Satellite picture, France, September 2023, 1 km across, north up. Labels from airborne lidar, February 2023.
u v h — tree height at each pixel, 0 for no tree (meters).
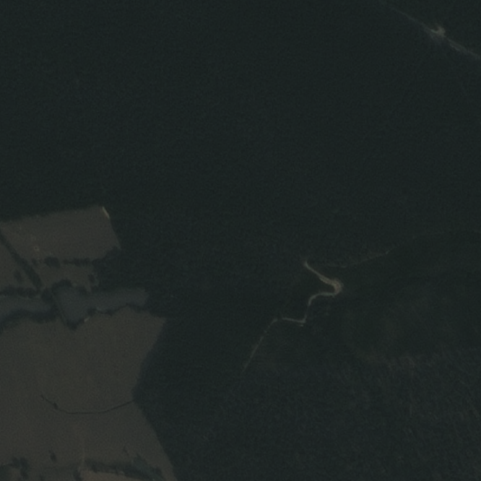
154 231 13
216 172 29
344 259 26
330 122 27
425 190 29
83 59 28
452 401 24
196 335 18
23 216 10
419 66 30
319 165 26
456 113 25
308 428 26
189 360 18
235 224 25
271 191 30
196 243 20
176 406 22
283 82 27
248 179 27
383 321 0
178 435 20
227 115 28
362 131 29
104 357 0
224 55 29
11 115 29
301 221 26
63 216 0
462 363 26
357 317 0
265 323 16
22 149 28
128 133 25
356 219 28
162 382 24
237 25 27
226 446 22
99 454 0
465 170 29
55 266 11
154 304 11
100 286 7
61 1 29
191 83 26
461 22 26
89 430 0
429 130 28
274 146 27
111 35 29
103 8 27
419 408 0
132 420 0
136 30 28
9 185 28
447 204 28
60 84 20
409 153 28
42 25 29
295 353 0
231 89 29
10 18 24
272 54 26
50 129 27
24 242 0
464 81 26
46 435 0
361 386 0
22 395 0
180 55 25
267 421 25
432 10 25
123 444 0
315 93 27
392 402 29
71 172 30
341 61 29
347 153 30
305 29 31
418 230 25
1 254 0
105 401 0
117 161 28
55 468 0
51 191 28
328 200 32
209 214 24
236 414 22
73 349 0
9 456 0
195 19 28
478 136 26
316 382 29
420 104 27
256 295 24
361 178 29
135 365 0
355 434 33
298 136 28
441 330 0
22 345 0
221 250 16
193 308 17
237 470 24
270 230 22
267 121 25
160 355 18
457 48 0
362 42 30
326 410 30
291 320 0
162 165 28
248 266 19
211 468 16
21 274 12
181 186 31
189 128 29
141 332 0
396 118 28
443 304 0
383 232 27
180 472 10
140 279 17
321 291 0
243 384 17
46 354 0
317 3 33
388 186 24
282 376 21
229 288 24
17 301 0
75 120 25
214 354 15
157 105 26
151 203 25
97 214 0
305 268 0
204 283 23
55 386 0
